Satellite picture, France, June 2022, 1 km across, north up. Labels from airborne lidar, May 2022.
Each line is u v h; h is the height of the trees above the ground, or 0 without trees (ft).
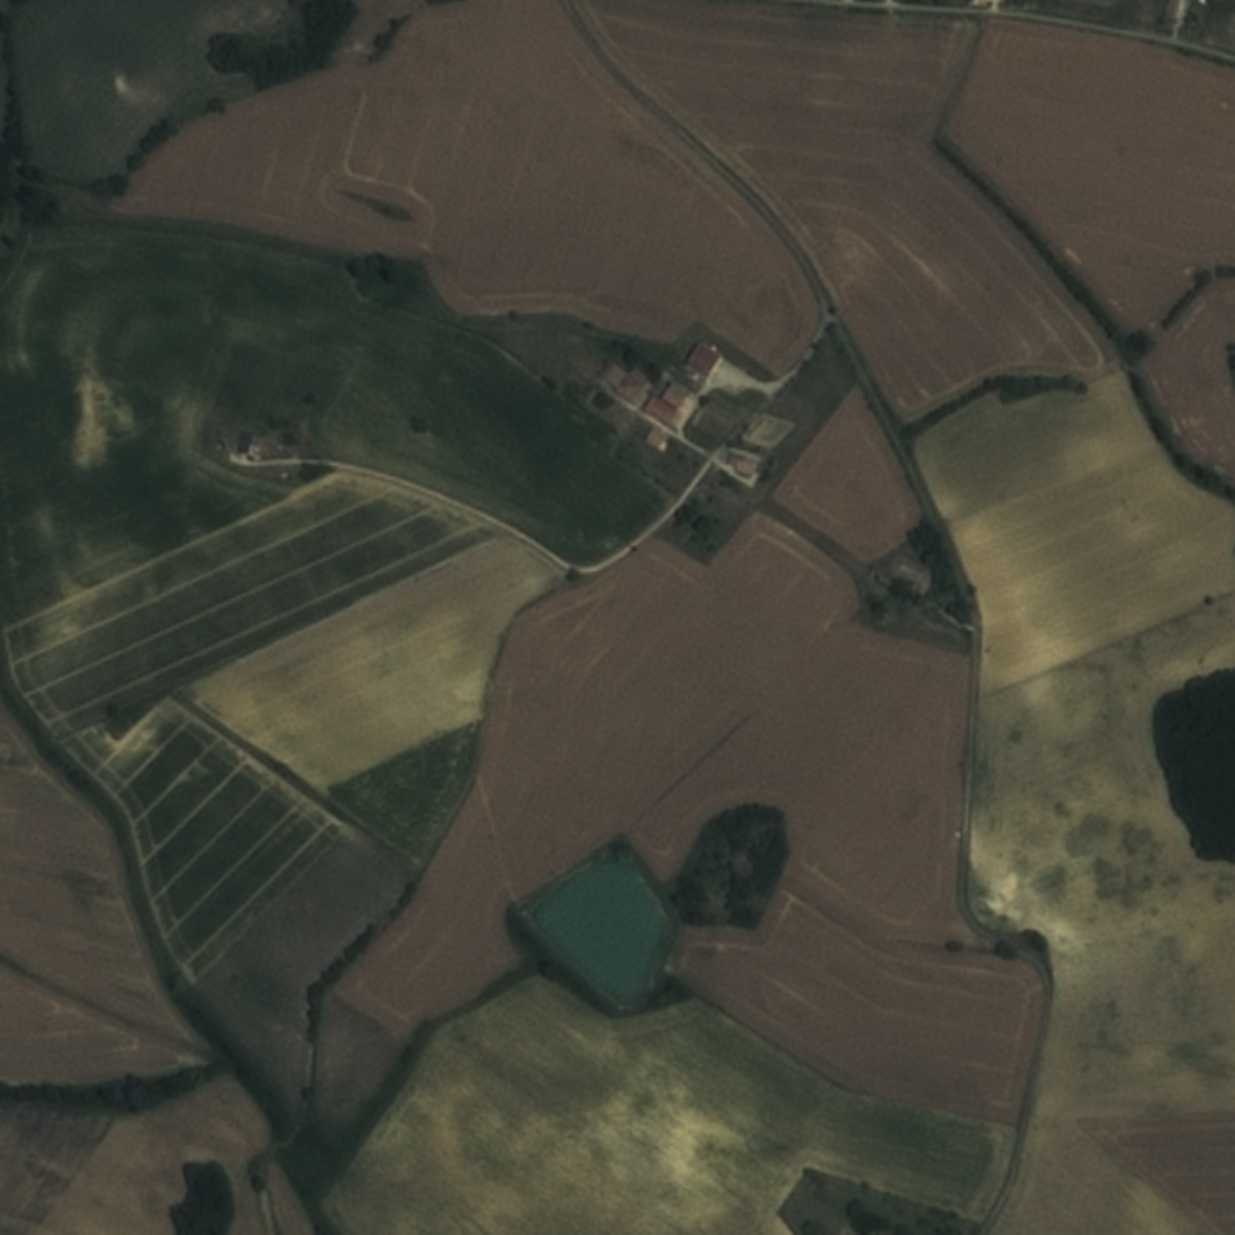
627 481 0
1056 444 0
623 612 0
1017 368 0
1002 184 0
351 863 0
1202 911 0
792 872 0
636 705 0
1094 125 0
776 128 0
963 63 0
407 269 0
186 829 0
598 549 0
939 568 31
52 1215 0
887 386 0
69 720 0
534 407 0
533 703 0
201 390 0
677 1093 0
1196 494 0
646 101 0
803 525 0
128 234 0
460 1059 0
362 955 31
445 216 0
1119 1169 0
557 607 0
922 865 0
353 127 0
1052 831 0
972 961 0
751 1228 0
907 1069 0
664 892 0
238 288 0
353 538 0
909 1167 0
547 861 0
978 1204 0
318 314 0
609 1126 0
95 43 0
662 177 0
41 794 0
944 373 0
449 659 0
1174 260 0
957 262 0
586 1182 0
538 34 0
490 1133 0
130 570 0
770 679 0
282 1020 0
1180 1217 0
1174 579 0
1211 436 0
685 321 0
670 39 0
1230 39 0
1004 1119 0
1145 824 0
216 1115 0
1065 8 0
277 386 0
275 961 0
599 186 0
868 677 0
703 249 0
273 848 0
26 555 0
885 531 0
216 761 0
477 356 0
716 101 0
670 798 0
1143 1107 0
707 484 0
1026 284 0
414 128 0
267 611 0
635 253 0
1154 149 0
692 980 0
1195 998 0
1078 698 0
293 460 0
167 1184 0
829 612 0
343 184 0
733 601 0
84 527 0
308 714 0
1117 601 0
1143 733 0
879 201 0
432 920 0
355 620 0
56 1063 0
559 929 0
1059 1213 0
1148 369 0
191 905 0
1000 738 0
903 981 0
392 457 0
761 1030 0
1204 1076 0
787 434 0
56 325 0
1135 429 0
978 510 0
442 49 0
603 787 0
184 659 0
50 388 0
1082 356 0
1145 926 0
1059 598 0
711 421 0
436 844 0
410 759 0
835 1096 0
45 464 0
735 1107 0
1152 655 0
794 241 0
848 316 0
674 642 0
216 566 0
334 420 0
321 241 0
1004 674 0
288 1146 0
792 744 0
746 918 18
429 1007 0
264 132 0
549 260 0
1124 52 0
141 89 0
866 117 0
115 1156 0
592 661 0
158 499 0
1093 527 0
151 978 0
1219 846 52
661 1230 0
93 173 0
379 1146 0
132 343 0
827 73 0
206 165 0
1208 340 0
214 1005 0
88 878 0
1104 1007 0
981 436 0
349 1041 0
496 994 0
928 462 0
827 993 0
